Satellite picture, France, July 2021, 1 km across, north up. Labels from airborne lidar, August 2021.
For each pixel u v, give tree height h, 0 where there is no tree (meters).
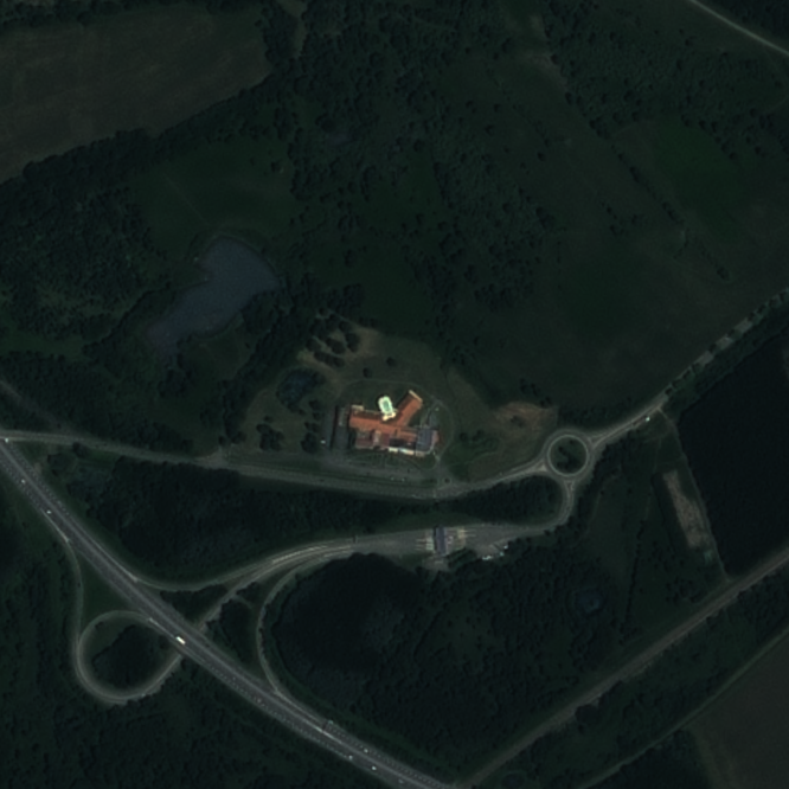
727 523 19
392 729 19
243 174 0
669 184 0
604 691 0
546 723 0
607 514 0
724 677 11
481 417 0
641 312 0
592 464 0
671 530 9
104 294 16
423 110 17
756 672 0
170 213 0
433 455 0
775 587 19
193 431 0
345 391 0
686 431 17
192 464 12
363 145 7
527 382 10
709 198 0
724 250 0
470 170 8
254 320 21
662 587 0
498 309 12
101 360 18
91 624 0
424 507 8
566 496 0
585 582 16
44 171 24
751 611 17
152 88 0
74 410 24
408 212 0
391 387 0
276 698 0
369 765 0
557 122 0
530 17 0
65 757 10
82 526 0
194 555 18
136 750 18
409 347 0
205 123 15
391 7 17
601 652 20
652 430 0
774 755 0
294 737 7
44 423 11
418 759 6
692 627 0
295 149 18
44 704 9
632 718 10
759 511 19
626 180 0
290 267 7
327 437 0
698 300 0
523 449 0
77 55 0
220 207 0
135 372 9
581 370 0
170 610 0
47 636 18
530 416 0
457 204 7
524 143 0
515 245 11
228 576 0
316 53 12
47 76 0
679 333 0
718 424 17
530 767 6
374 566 21
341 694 18
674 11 0
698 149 0
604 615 18
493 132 18
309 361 0
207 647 0
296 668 16
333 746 0
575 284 0
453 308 17
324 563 0
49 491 0
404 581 21
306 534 7
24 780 17
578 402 0
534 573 19
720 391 17
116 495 13
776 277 0
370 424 0
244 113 14
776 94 0
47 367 21
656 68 6
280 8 14
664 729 9
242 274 0
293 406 14
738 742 0
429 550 0
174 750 15
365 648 20
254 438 0
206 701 14
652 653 0
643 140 0
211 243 0
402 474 0
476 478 0
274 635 15
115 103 0
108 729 16
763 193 0
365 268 0
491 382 0
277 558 0
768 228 0
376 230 8
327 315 16
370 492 0
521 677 21
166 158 17
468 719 17
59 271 11
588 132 0
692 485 0
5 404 10
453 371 0
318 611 23
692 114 8
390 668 16
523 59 0
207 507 17
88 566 0
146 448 9
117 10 17
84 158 24
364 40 16
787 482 20
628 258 0
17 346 0
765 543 21
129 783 13
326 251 0
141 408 9
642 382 0
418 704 18
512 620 18
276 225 0
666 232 0
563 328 0
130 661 19
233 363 0
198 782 17
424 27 8
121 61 0
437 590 17
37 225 18
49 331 15
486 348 0
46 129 0
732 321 0
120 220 17
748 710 0
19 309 10
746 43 0
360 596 24
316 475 0
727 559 18
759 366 18
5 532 19
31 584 10
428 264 12
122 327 17
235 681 0
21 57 0
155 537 10
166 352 0
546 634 14
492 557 0
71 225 15
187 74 0
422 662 16
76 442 0
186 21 0
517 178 0
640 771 19
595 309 0
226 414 8
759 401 20
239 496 13
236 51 0
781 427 20
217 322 0
